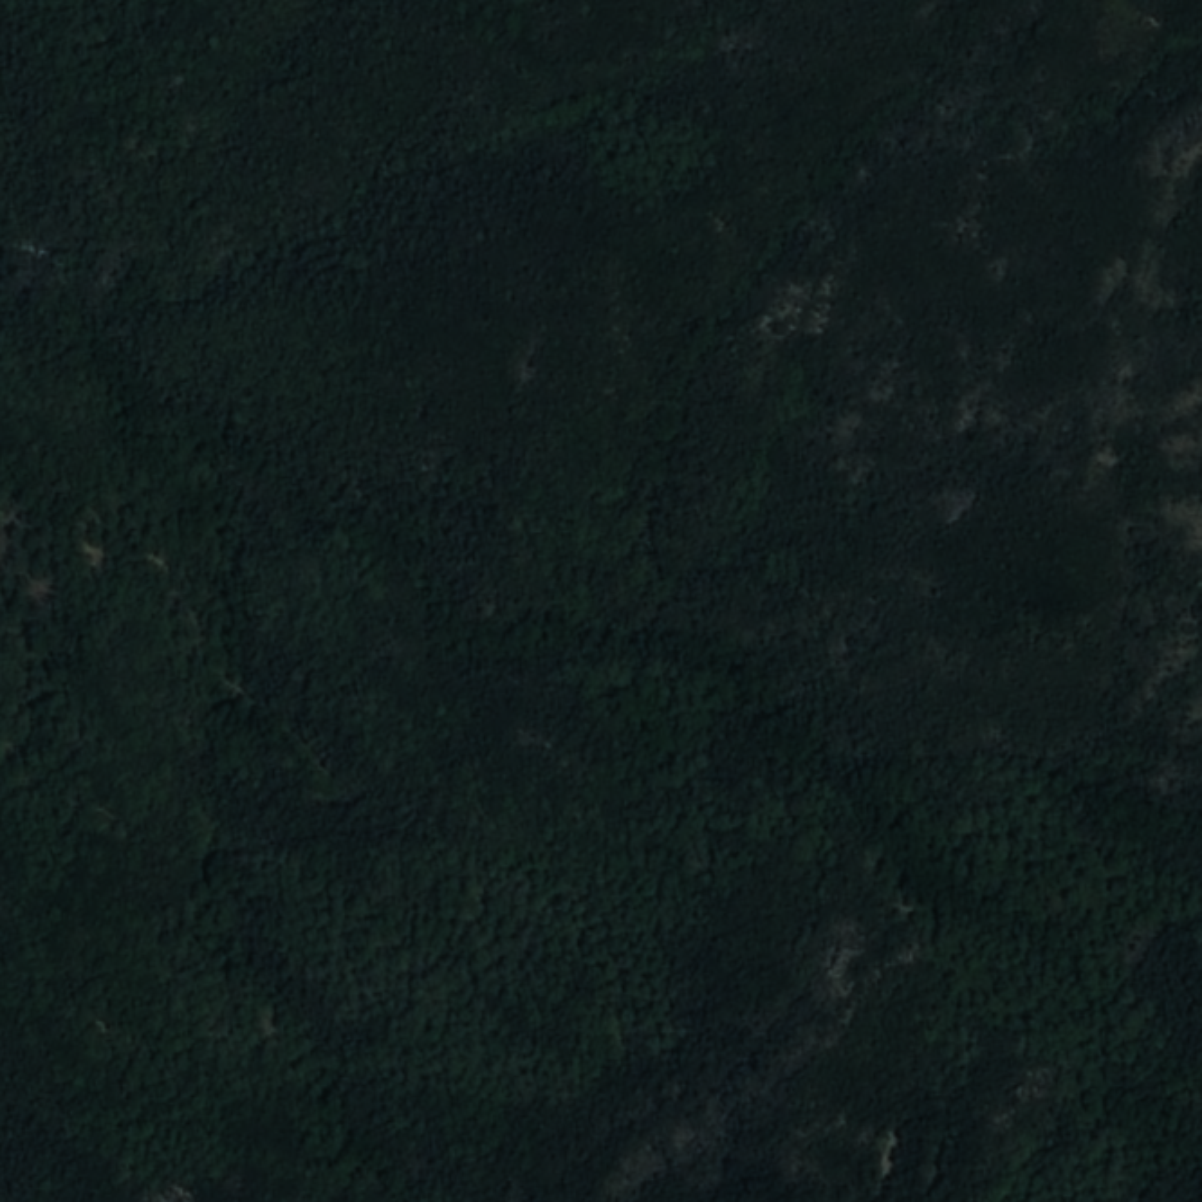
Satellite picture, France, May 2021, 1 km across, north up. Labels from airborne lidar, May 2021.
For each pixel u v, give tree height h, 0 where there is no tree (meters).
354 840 12
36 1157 12
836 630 11
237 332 11
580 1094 10
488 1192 12
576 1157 7
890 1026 10
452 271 10
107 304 12
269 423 15
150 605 17
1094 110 16
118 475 20
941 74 11
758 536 10
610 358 6
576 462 9
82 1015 12
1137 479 8
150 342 9
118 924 11
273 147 9
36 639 24
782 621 9
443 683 9
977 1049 16
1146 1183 13
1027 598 10
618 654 20
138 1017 8
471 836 7
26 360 10
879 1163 12
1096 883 16
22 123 10
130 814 13
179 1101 9
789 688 7
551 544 10
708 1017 14
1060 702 7
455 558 6
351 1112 10
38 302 9
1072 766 10
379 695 13
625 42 10
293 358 13
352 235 12
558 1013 12
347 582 15
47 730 16
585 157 7
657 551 16
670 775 13
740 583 8
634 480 16
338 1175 19
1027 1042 20
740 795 16
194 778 13
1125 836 13
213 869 25
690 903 12
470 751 12
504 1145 10
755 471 17
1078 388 7
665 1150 6
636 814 13
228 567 16
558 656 11
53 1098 11
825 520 7
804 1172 7
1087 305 7
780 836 10
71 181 9
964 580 8
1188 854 10
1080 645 7
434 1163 11
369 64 10
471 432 8
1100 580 6
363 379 10
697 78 6
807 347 11
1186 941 8
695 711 22
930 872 23
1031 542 7
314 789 9
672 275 9
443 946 15
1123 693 9
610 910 12
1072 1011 15
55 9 11
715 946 8
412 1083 16
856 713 10
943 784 12
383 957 15
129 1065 12
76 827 10
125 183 9
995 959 8
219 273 7
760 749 14
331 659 13
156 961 16
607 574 9
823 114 7
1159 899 15
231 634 25
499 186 7
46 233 5
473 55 6
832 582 9
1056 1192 12
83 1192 9
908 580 6
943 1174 9
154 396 14
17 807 17
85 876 11
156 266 11
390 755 13
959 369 5
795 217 19
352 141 6
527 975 11
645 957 16
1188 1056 13
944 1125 9
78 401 14
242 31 12
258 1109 10
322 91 6
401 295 8
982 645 8
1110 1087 20
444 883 14
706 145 13
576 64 10
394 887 13
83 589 16
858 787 22
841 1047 7
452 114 11
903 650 6
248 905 10
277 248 12
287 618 6
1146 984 6
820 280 6
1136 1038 14
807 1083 8
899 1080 10
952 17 8
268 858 14
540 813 10
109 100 10
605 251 7
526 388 8
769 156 6
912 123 6
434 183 10
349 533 14
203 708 9
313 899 14
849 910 10
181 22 8
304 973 16
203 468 21
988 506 8
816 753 14
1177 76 7
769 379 12
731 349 11
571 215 6
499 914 17
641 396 6
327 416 12
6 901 13
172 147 9
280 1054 19
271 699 13
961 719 8
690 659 12
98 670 8
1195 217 6
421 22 7
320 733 16
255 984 13
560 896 8
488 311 7
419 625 8
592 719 12
